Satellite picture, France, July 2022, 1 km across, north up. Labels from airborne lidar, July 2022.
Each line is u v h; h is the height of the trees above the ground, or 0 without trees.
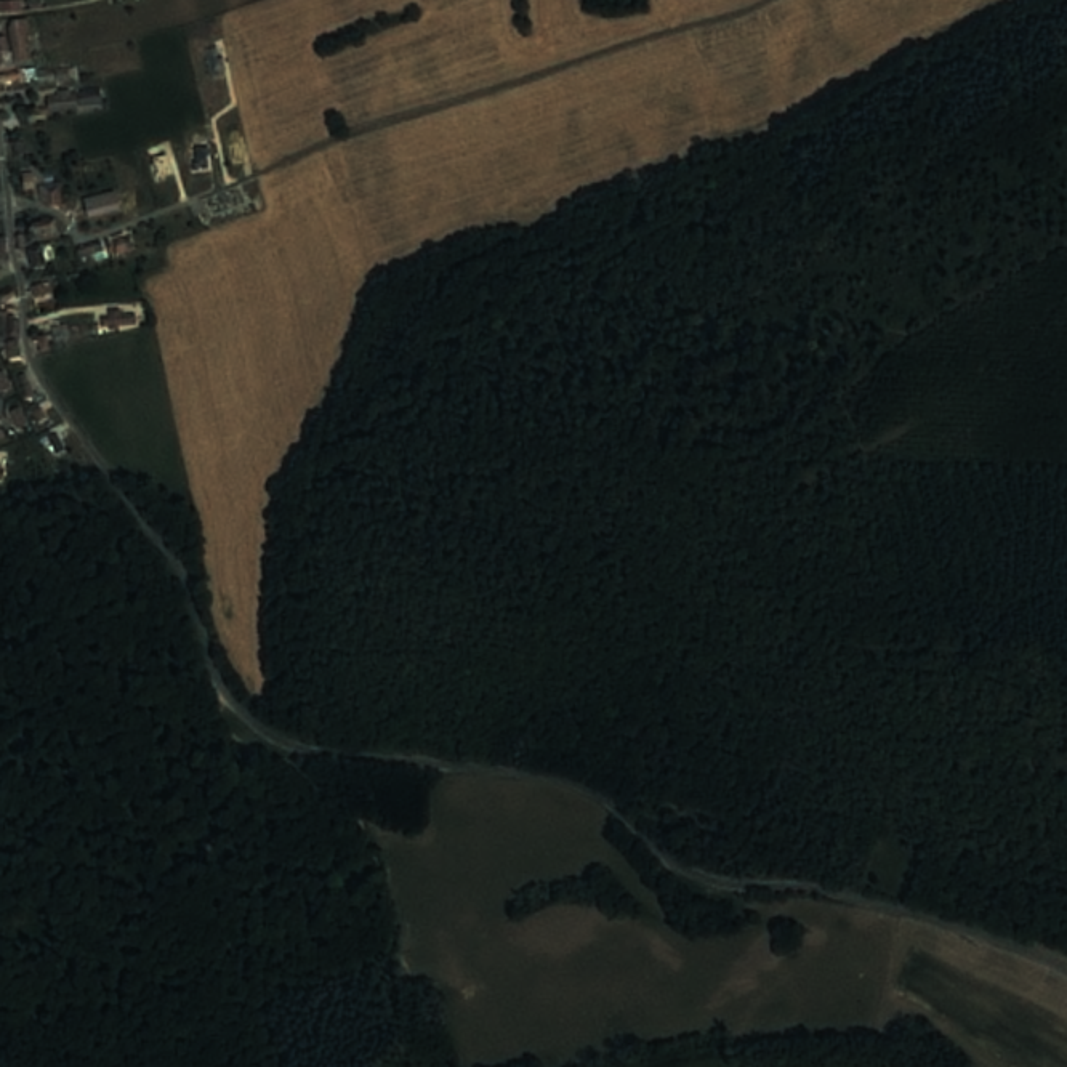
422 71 0
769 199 9
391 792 23
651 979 0
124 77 0
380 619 13
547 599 18
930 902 23
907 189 8
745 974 0
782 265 8
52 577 30
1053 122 12
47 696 29
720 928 21
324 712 19
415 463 23
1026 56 25
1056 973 0
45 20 0
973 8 0
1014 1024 0
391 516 16
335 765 21
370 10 0
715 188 11
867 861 23
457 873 0
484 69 0
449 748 17
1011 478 17
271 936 28
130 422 0
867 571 17
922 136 11
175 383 0
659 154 0
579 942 0
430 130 0
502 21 0
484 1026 0
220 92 0
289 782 23
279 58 0
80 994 29
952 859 20
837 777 16
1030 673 18
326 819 23
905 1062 26
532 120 0
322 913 29
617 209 20
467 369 23
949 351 6
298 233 0
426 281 12
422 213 0
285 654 20
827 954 0
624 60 0
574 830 0
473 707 17
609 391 21
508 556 18
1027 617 20
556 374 22
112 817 28
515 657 17
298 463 21
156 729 31
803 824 18
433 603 12
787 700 19
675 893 18
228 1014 24
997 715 14
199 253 0
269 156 0
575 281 23
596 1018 0
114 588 30
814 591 20
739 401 24
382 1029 17
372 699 13
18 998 33
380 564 13
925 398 5
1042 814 17
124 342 0
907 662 19
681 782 27
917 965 0
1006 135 12
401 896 0
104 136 0
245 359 0
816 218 9
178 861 15
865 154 14
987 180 9
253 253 0
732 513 14
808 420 24
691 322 25
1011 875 20
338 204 0
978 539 17
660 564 18
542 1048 0
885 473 15
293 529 22
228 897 29
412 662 14
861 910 0
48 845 23
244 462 0
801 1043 25
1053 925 24
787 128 27
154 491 26
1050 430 7
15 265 0
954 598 17
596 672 20
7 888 23
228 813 31
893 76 18
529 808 0
